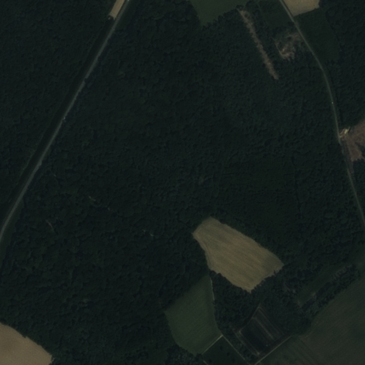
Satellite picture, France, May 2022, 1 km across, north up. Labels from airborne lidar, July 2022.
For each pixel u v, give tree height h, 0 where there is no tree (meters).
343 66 23
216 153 25
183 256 18
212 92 26
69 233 29
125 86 32
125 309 32
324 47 7
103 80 29
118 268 32
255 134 23
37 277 23
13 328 11
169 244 18
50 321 24
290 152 29
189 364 26
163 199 22
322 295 22
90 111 31
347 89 22
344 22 33
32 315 33
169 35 32
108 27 0
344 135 0
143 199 30
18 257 34
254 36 0
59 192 31
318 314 15
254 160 6
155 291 32
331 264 14
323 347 0
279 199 12
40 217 32
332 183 25
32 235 34
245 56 23
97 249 32
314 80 22
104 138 28
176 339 0
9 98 28
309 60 27
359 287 0
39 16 28
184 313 0
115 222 31
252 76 23
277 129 25
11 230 0
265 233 7
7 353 0
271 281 21
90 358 29
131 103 33
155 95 32
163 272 29
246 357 19
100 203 22
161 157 21
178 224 24
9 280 31
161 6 31
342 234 25
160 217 26
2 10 24
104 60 22
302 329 21
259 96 30
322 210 20
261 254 0
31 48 30
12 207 0
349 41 30
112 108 20
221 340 0
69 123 27
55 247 33
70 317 29
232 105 20
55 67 28
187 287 26
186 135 21
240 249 0
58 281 36
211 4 0
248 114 14
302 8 0
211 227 0
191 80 27
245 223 7
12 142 28
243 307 15
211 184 32
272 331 0
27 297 33
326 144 18
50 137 0
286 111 25
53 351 28
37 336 17
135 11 0
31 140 29
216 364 0
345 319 0
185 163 28
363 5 24
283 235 10
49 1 31
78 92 0
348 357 0
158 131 31
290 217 9
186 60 27
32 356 0
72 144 24
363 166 25
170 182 22
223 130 23
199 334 0
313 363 0
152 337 24
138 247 28
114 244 31
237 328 0
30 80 28
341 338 0
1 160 24
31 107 26
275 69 0
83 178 25
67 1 30
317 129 29
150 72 29
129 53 30
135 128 30
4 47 30
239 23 23
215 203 26
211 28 21
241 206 8
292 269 18
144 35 33
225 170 6
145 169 20
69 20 31
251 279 0
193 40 23
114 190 18
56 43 29
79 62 20
